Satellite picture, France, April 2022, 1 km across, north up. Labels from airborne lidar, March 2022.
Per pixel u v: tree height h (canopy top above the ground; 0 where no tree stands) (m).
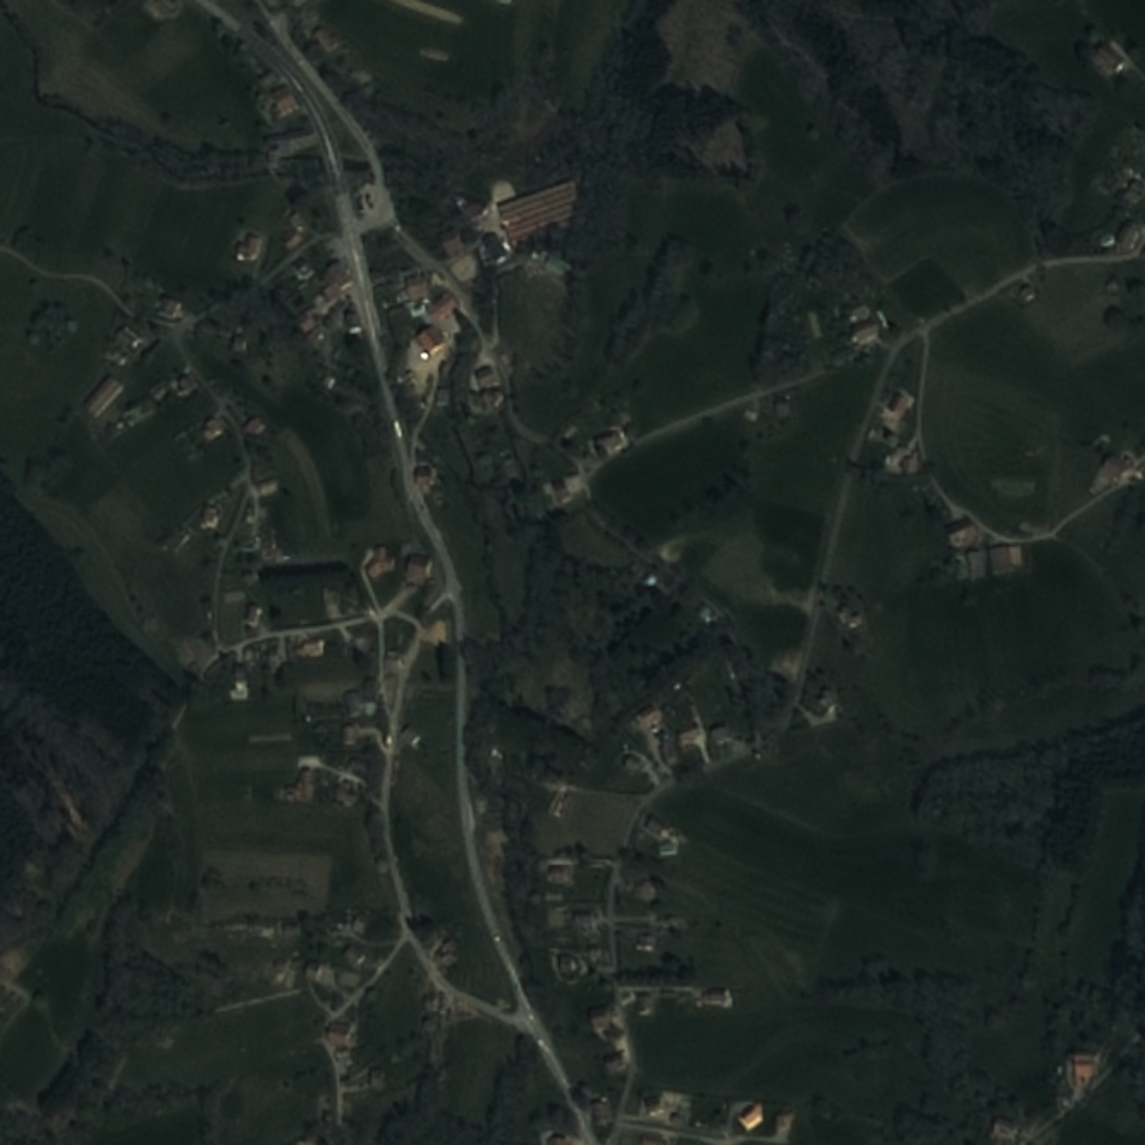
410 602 0
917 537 0
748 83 0
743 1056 0
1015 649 0
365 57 0
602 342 0
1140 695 0
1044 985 0
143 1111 18
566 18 0
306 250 0
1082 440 0
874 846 0
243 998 0
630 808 0
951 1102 0
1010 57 26
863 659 0
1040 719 0
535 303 0
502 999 0
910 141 25
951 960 0
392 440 11
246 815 0
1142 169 0
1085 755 25
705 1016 0
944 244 0
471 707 0
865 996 21
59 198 0
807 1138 0
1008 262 0
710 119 27
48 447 0
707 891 0
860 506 0
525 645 19
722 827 0
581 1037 15
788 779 0
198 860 0
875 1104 0
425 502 0
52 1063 0
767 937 0
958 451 0
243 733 0
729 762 0
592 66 0
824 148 0
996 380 0
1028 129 17
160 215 0
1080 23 0
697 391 0
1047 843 19
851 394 0
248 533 0
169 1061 0
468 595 0
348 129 0
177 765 0
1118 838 0
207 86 0
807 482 0
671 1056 0
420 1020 0
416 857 0
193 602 0
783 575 0
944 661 0
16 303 0
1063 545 0
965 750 0
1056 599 0
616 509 0
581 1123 16
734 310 0
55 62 0
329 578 18
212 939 0
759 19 21
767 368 17
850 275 19
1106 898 0
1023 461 0
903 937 0
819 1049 0
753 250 0
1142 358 0
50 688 21
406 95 0
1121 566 0
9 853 28
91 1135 14
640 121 23
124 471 0
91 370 0
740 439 0
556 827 0
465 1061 0
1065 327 0
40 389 0
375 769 13
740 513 0
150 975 23
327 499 0
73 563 19
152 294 0
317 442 0
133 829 28
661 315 20
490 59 0
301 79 0
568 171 22
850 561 0
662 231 0
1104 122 0
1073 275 0
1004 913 0
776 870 0
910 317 0
